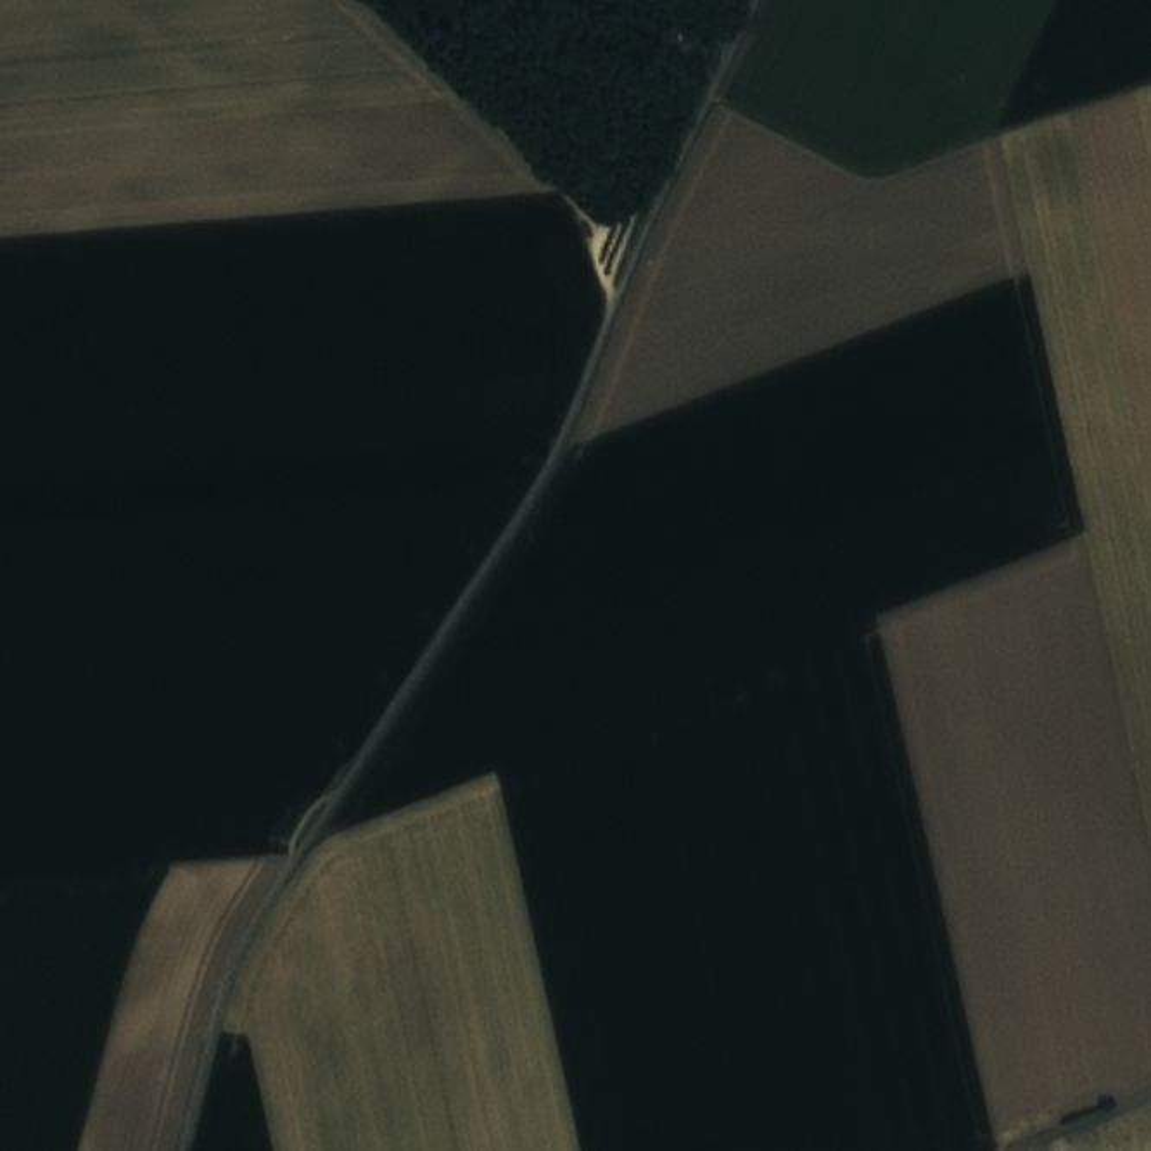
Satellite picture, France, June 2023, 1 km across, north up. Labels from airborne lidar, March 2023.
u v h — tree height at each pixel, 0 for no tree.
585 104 25
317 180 0
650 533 0
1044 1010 0
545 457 0
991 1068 0
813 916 0
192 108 0
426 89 0
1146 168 0
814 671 0
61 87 0
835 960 0
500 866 0
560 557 0
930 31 0
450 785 0
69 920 0
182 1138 0
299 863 0
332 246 0
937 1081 0
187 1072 0
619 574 0
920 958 0
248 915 0
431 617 0
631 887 0
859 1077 0
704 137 0
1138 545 0
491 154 0
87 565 0
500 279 0
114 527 0
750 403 0
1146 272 0
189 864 0
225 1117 0
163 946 0
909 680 0
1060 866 0
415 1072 0
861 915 0
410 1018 0
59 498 0
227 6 0
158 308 0
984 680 0
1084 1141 0
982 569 0
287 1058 0
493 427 0
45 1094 0
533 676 0
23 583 0
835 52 0
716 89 0
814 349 0
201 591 0
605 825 0
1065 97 0
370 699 0
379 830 0
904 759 0
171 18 0
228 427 0
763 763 0
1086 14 0
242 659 0
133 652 0
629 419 0
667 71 26
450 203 0
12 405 0
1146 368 0
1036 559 0
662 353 0
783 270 0
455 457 0
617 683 0
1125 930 0
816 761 0
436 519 0
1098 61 0
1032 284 0
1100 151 0
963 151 0
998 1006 0
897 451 0
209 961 0
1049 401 0
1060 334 0
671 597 0
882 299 0
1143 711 0
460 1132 0
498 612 0
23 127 0
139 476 0
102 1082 0
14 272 0
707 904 0
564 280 0
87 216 0
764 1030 0
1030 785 0
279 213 0
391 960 0
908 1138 0
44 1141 0
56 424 0
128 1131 0
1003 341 0
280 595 0
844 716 0
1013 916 0
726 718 0
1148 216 0
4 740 0
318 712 0
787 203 0
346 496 0
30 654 0
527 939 0
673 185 0
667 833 0
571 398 0
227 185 0
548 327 0
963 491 0
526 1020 0
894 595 0
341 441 0
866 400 0
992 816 0
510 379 0
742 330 0
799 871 0
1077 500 0
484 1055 0
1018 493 0
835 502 0
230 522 0
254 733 0
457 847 0
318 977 0
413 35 19
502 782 0
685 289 0
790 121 0
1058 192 0
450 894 0
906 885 0
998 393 0
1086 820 0
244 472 0
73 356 0
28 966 0
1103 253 0
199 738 0
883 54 0
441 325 0
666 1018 0
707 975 0
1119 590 0
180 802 0
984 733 0
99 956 0
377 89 0
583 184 20
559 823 0
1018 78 0
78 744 0
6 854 0
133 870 0
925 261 0
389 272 0
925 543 0
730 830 0
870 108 0
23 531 0
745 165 0
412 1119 0
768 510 0
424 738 0
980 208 0
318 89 0
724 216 0
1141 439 0
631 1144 0
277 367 0
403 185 0
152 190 0
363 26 0
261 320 0
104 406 0
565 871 0
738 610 0
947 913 0
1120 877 0
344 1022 0
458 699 0
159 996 0
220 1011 0
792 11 0
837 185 0
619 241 0
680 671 0
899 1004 0
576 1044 0
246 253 0
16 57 0
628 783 0
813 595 0
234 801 0
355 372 0
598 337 0
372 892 0
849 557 0
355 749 0
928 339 0
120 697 0
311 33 0
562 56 27
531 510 0
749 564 0
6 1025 0
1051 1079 0
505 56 25
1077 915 0
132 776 0
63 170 0
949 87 0
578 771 0
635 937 0
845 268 0
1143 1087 0
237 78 0
